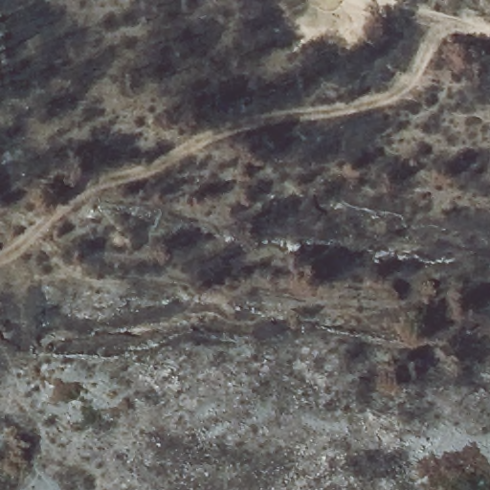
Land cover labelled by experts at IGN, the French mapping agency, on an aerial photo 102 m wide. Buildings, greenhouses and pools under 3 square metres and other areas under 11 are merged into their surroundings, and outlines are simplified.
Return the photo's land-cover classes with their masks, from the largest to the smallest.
<instances>
[{"label":"bare soil","instance_id":"1","mask_svg":"<svg viewBox=\"0 0 490 490\"><path fill-rule=\"evenodd\" d=\"M310 40L308 36L297 33L285 21L283 11L279 10L274 0H0V251L15 237L25 234V230L33 228L38 216L33 212L31 199L27 197V193L33 188L42 191V201L46 203V207H56L69 203L73 197H77L78 193L86 189L88 182L98 180L103 172L134 165H151L161 155H167L168 151H172L176 145L184 144L191 136L205 130L199 124H195L193 103L188 96H174L172 101L159 96L157 82L161 78L188 73L191 82L207 78L216 86L220 82L232 80L235 75H258L272 80L278 73L297 69L316 59V54L308 46ZM394 6H398L400 10L417 13L419 6H427L431 10L450 15H477L490 23V0H396ZM369 17L364 25V38L367 44H375L379 40L383 33L381 19L385 17V6H367ZM417 21L404 33V38L398 40V44L387 56L375 59L373 67L367 71V86L371 88V94L387 92L396 75H404L410 71L419 44L423 42L427 31L438 23L436 19L417 13ZM421 84L425 88L417 90L412 101L402 100L392 105L367 109L362 113L320 121H301L297 115H291L276 124H264L260 128L247 130L241 134H230V130H220L212 132L211 144L203 147L205 157L188 155L155 176L122 184L117 188L101 189L94 195L92 209L84 207V218L78 220L75 226L69 220L61 218L57 224L50 226L46 234L36 239V243L31 245V249L25 255L19 256L6 266H0V490H490V373H480L477 392L467 387H456L459 367L456 356L444 354L446 341L434 337H417L419 322L415 318V312L423 302L427 304L446 299L450 308V318L456 322H461V308L477 312L480 308H486L490 312V33H454L442 38L421 78ZM193 228H201V232L214 235L211 241L178 249L174 255L167 256L161 237ZM230 241L243 249V255L247 256L249 264L262 258H268L272 264L264 272H255L251 278L241 281L226 279L224 285H216L211 291H207L197 278L199 256L220 251ZM417 346H431L434 356L438 358V364L429 367L427 371L429 387L425 383L398 385L396 371L390 358H396L400 348ZM345 86L325 80L310 92L302 107L341 103L339 94H345Z\"/></svg>","mask_w":490,"mask_h":490},{"label":"coniferous trees","instance_id":"2","mask_svg":"<svg viewBox=\"0 0 490 490\"><path fill-rule=\"evenodd\" d=\"M417 13L400 10L398 6H385V17L381 19L383 33L379 40L375 44H367L364 38L356 42L352 48L346 44L343 36L337 34H322L310 40L308 46L316 54V59L297 69L278 73L272 80L258 75H235L232 80L220 82L216 86L207 78L191 82L188 73L161 78L157 82L159 96L172 101L174 96H188L193 103L195 124H199L205 130L212 132L220 130L226 122L234 124L235 121L268 113L274 109L302 107L310 92L325 80L345 86V94H339L341 103H350L371 94V88L367 86V71L373 67L375 59L387 56L398 44V40L404 38V33L417 21ZM27 197L31 199L33 212L38 216L52 214L56 207H46V203L42 201V191L33 188L27 193ZM214 235L201 232V228H193L161 237L167 256L174 255L178 249L211 241ZM197 278L207 291H211L216 285H224L226 279L241 281L251 278L255 272H264L272 264L268 258H262L249 264L247 256L243 255V249L230 241L220 251L199 256ZM415 318L419 322L417 337H434L446 341L444 354L456 356L459 367L456 387H467L477 392L480 373H490V312L486 308H480L477 312L461 308V322H456L450 318V308L446 299L427 304L423 302L415 312ZM396 371L398 385L425 383L429 387L427 371L429 367L438 364V358L434 356L431 346H417L400 348L396 358H390Z\"/></svg>","mask_w":490,"mask_h":490},{"label":"pervious surface","instance_id":"3","mask_svg":"<svg viewBox=\"0 0 490 490\"><path fill-rule=\"evenodd\" d=\"M279 10L283 11L285 21L297 33L308 36L310 40L322 34H337L343 36L346 44L352 48L356 42L364 38V25L369 17L367 6H394L396 0H274ZM417 13L436 19L438 23L427 31L423 42L419 44L410 71L404 75H396L387 92L371 94L350 103H341L302 107L274 109L268 113L235 121L234 124L226 122L220 130H230V134H241L247 130L260 128L264 124H276L291 115H297L301 121H320L362 113L367 109L392 105L402 100L412 101L417 90L425 88L421 84V78L442 38L454 33H490V23L477 15H450L431 10L427 6H419ZM212 132L205 130L191 136L184 144L176 145L172 151H168L167 155H161L151 165H134L103 172L98 180L88 182L86 189L78 193L77 197H73L69 203L56 207L52 214L38 216L33 228L25 230V234L15 237L0 251V266H6L19 256L25 255L31 249V245L36 243V239L46 234L50 226L57 224L61 218L69 220L75 226L78 220L84 218V207L92 209L94 195L101 189L117 188L122 184L155 176L188 155L205 157L203 147L211 144Z\"/></svg>","mask_w":490,"mask_h":490}]
</instances>
